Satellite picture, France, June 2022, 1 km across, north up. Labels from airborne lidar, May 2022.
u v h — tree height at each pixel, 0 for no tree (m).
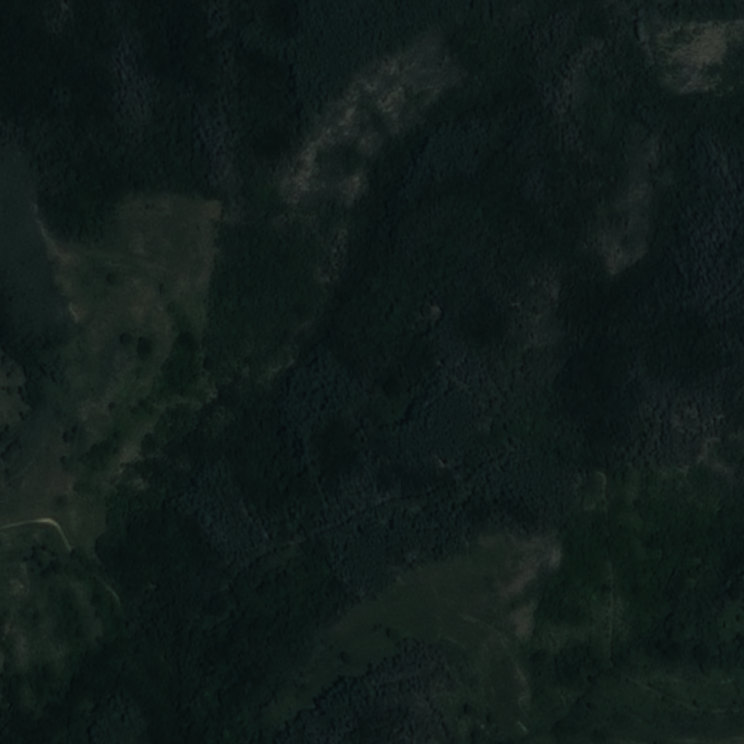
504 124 13
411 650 8
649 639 13
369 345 20
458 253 16
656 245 19
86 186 13
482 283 20
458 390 18
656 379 16
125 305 0
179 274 0
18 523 0
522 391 7
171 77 23
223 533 26
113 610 11
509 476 20
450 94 8
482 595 0
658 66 11
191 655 13
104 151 11
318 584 6
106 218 10
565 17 25
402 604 0
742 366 18
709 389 13
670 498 7
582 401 20
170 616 20
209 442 13
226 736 16
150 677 17
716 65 7
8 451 9
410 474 27
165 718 17
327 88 21
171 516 31
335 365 29
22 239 0
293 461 16
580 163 17
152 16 26
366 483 24
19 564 0
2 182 0
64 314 0
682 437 14
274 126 20
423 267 13
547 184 10
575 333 16
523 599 0
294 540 15
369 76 0
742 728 0
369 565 24
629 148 12
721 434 13
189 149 12
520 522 18
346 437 18
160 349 0
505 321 13
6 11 25
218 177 13
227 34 14
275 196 10
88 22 23
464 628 0
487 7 21
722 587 19
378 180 19
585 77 7
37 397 12
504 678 0
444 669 12
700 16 12
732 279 22
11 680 14
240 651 10
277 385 13
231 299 14
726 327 16
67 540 0
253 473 18
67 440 12
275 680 7
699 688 0
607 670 8
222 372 9
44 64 24
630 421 14
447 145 32
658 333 17
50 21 8
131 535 16
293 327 7
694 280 18
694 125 12
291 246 17
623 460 12
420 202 23
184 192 6
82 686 20
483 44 17
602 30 14
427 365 13
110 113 18
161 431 9
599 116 8
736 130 20
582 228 16
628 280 23
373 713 15
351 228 12
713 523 10
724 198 12
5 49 14
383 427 16
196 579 16
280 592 10
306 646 8
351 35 15
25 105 22
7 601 0
